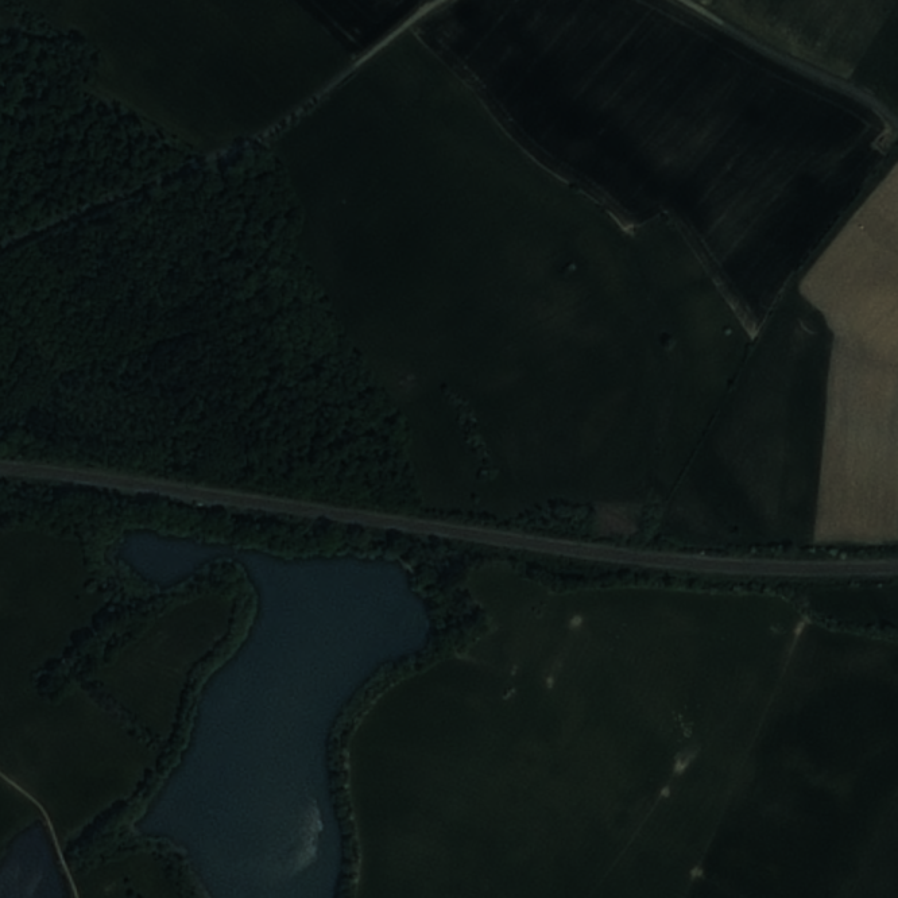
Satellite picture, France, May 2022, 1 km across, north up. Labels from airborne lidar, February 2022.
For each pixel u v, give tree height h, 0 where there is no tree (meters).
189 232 18
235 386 19
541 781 0
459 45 0
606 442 0
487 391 0
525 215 0
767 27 0
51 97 24
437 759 0
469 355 0
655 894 0
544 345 0
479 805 0
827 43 0
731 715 0
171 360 22
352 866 8
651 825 0
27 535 0
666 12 0
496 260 0
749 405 0
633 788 0
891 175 0
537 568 20
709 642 0
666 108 0
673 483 0
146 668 0
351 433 26
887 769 0
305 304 23
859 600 0
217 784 0
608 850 0
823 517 0
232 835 0
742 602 0
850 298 0
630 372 0
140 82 0
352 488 19
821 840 0
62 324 10
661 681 0
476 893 0
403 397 0
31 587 0
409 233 0
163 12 0
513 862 0
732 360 0
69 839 0
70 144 25
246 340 24
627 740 0
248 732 0
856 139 0
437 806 0
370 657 0
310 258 0
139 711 0
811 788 0
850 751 0
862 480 0
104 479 0
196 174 25
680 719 0
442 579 30
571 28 0
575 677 0
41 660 0
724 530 0
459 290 0
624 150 0
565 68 0
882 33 0
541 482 0
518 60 0
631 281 0
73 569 0
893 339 0
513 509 0
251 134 0
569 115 0
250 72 0
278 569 0
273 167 19
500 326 0
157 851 7
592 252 0
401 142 0
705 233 0
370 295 0
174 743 13
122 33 0
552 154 0
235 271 28
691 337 0
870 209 0
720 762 0
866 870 0
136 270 19
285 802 0
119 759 0
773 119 0
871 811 0
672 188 0
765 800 0
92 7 0
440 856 0
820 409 0
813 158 0
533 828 0
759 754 0
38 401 15
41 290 7
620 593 0
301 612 0
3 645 0
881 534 0
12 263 9
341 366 31
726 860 0
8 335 9
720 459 0
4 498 19
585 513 6
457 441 0
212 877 0
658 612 0
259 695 0
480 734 0
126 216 19
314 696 0
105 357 8
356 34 0
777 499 0
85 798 0
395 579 0
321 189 0
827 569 0
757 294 0
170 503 17
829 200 0
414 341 0
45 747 0
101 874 0
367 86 0
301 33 0
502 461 0
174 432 14
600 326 0
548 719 0
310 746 0
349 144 0
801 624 0
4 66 18
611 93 0
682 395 0
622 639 0
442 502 0
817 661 0
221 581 18
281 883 0
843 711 0
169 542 0
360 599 0
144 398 14
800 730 0
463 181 0
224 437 15
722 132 0
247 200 18
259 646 0
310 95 0
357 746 0
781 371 0
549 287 0
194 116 0
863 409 0
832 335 0
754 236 0
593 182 0
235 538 20
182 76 0
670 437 0
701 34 0
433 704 0
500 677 0
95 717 0
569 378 0
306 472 21
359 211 0
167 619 0
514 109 0
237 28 0
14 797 0
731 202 0
